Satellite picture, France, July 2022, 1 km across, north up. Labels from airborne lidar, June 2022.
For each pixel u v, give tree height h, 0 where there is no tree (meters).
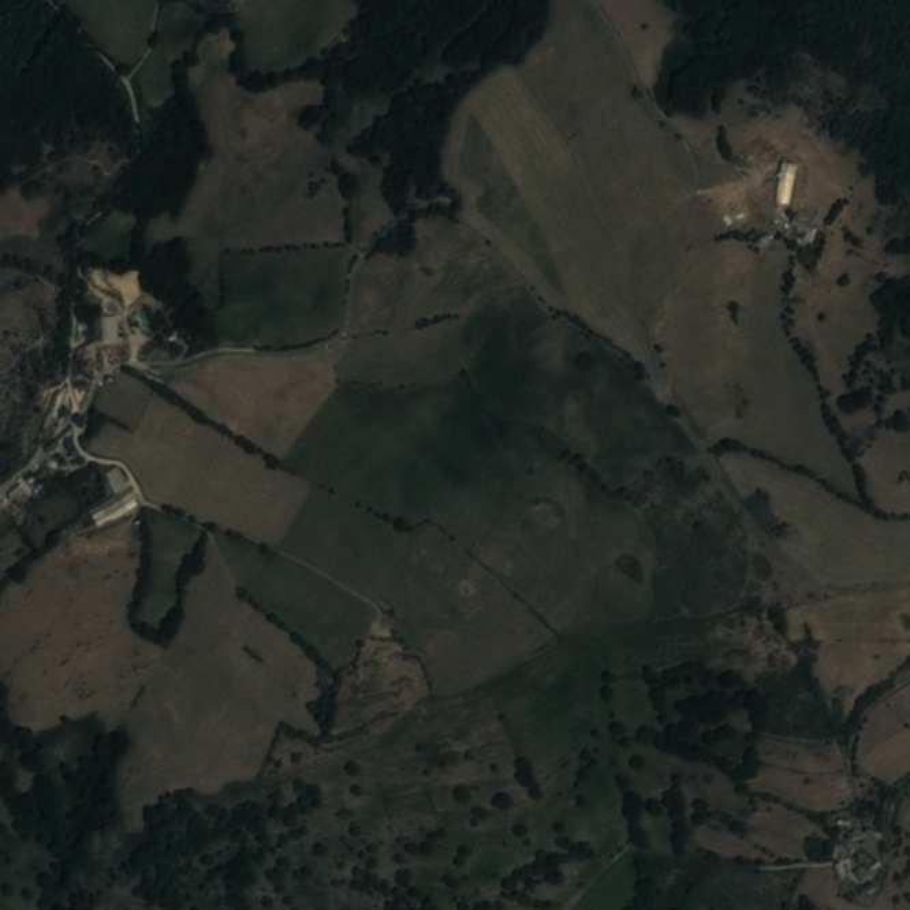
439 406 0
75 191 6
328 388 0
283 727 7
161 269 17
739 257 0
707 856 13
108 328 0
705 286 0
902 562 0
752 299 0
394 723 0
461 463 0
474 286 0
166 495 0
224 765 0
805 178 0
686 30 13
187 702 0
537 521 0
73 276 9
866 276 0
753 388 0
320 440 0
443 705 0
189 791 9
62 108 18
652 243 0
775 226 0
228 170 0
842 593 0
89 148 8
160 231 0
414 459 0
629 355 7
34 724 0
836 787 0
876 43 10
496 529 0
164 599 0
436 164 11
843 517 0
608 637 0
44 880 19
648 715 0
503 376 0
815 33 12
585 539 0
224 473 0
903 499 0
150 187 28
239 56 15
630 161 0
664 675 12
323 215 0
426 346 0
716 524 0
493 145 0
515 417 0
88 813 10
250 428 0
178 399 12
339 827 0
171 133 12
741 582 0
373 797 0
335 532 0
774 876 0
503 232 0
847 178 0
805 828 0
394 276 0
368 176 0
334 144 22
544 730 0
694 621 0
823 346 0
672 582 0
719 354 0
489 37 19
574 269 0
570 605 0
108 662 0
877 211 0
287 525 0
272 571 0
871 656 0
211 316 22
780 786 0
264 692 0
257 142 0
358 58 15
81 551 0
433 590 0
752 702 19
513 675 0
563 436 0
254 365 0
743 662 0
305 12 0
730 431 0
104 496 9
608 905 0
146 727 0
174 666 0
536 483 0
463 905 11
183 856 20
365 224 0
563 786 0
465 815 0
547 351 0
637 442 0
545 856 14
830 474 0
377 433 0
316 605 0
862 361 9
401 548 0
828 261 0
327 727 11
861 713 11
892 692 0
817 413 0
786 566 0
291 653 0
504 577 0
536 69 0
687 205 0
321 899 0
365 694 0
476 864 0
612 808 0
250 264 0
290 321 0
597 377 0
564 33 0
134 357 0
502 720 8
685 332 0
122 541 0
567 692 0
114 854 0
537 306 0
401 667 0
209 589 0
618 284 0
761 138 0
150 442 0
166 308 7
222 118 0
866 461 0
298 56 0
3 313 0
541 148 0
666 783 0
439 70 0
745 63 19
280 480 0
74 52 21
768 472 0
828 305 0
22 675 0
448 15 19
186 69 17
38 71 21
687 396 0
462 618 0
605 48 0
